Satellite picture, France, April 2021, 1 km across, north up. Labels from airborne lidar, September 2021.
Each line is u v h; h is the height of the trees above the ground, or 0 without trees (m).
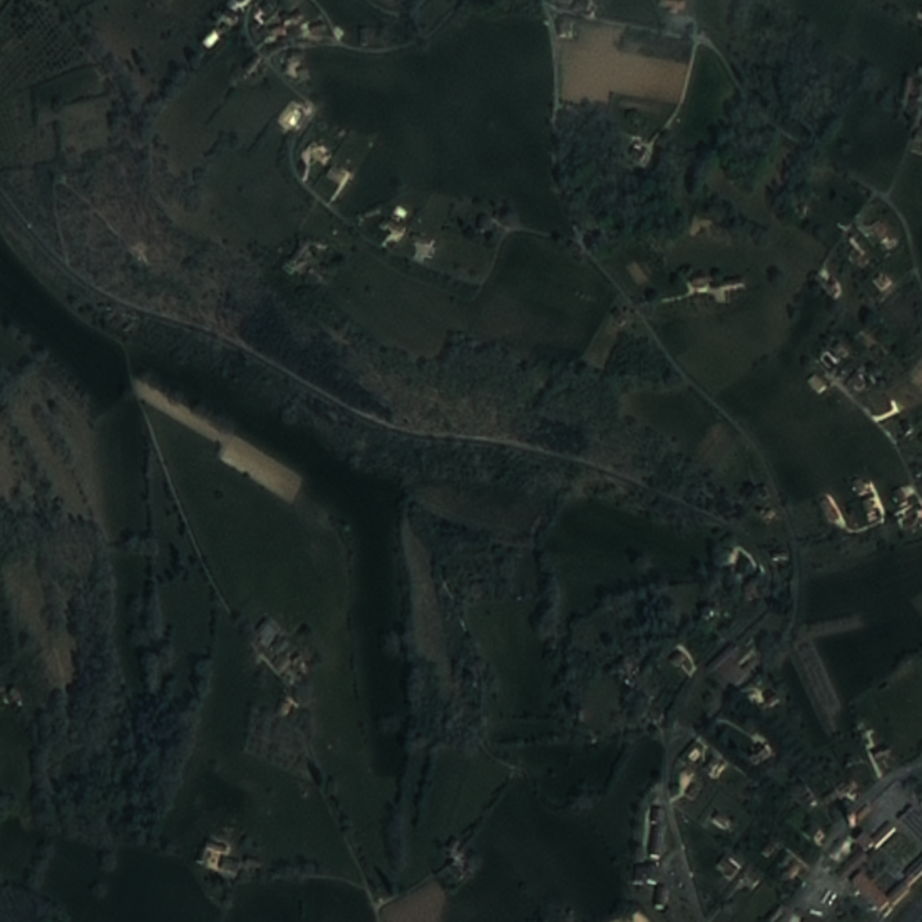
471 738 13
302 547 0
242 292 20
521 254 0
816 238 8
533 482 8
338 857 0
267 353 17
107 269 9
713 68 0
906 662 11
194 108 0
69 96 0
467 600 9
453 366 20
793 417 0
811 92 24
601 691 0
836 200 13
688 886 0
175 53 0
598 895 0
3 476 0
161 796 17
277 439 0
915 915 0
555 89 0
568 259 0
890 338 18
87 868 0
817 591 0
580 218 20
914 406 0
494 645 0
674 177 19
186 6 0
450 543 13
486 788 0
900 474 0
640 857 17
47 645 0
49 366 8
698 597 0
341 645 0
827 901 0
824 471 0
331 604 0
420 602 0
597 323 0
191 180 13
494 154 0
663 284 0
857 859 0
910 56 0
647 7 0
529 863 0
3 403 15
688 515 14
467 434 11
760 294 0
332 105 0
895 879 0
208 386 0
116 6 0
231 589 0
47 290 0
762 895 0
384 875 0
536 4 9
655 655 8
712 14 0
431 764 6
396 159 0
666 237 21
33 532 19
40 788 14
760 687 0
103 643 9
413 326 0
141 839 18
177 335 6
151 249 9
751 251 0
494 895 0
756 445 0
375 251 8
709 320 0
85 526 16
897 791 0
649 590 13
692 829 0
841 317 12
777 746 16
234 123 0
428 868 0
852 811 0
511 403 18
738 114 23
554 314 0
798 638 9
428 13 0
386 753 0
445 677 0
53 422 16
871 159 0
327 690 0
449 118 0
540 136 0
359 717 0
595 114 12
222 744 0
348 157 0
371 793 0
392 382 11
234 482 0
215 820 0
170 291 7
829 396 0
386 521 0
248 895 0
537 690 0
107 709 23
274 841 0
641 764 0
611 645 15
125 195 11
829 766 8
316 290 8
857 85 9
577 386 23
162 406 0
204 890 0
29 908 26
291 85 0
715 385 0
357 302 0
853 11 0
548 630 21
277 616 0
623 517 0
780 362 0
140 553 15
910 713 0
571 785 0
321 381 18
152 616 19
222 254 15
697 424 0
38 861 12
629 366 10
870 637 0
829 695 9
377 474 8
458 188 0
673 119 0
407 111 0
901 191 0
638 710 22
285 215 0
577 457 14
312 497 0
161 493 0
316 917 0
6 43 6
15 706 7
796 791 10
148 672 19
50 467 0
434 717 8
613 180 22
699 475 7
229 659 0
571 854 0
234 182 0
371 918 0
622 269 0
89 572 17
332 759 0
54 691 0
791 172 19
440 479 17
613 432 17
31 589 0
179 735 18
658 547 0
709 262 0
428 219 0
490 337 0
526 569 0
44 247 0
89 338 0
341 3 0
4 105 0
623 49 9
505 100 0
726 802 0
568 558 0
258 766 0
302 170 8
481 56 0
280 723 11
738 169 25
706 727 13
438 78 0
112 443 0
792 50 12
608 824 0
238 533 0
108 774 31
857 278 7
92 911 0
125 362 0
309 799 0
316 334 16
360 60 0
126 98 14
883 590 0
